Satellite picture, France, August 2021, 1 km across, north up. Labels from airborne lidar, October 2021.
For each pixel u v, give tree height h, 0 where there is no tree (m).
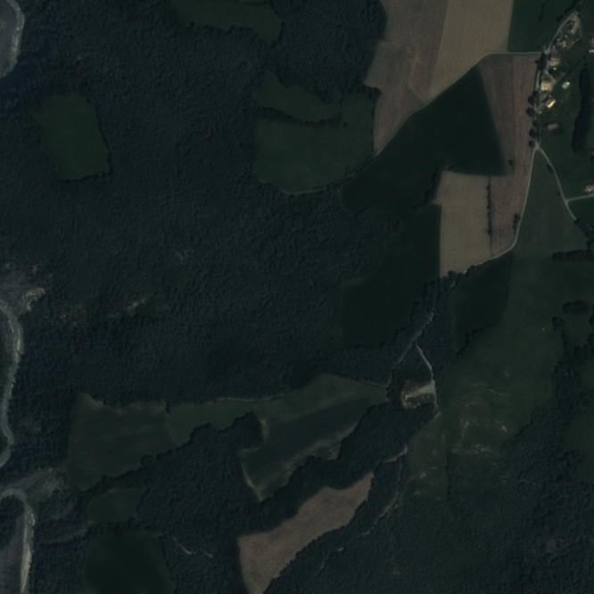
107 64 8
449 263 0
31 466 10
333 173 0
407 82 0
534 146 12
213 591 10
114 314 7
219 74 6
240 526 17
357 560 8
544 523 12
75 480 0
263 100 0
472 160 0
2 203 8
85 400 0
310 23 10
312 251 12
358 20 10
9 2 0
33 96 16
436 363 13
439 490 0
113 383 9
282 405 0
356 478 12
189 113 8
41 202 14
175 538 8
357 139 0
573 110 0
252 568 0
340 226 13
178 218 9
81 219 14
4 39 0
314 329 8
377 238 10
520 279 0
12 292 0
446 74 0
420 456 0
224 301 12
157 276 12
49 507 11
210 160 15
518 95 0
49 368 16
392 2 0
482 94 0
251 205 9
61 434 12
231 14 0
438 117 0
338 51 9
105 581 0
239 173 15
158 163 15
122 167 14
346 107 0
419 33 0
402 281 0
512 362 0
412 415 10
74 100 0
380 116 0
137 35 11
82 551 12
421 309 11
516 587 14
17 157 9
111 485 16
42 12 6
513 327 0
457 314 0
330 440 0
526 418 0
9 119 7
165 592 0
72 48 12
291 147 0
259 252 9
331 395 0
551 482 11
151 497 9
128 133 13
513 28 0
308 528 0
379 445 8
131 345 11
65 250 10
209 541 9
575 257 21
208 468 11
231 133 17
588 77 16
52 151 0
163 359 10
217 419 0
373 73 0
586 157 0
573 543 9
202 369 15
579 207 0
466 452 0
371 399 0
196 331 6
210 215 9
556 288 0
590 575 11
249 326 12
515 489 7
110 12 17
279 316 14
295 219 12
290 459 0
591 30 0
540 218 0
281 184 0
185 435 0
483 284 0
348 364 11
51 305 14
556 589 12
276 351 10
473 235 0
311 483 11
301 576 12
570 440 0
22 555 0
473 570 9
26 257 11
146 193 12
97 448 0
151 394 18
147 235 7
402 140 0
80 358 12
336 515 0
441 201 0
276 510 15
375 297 0
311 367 20
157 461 13
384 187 0
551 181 0
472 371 0
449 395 0
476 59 0
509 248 0
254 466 0
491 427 0
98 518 0
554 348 0
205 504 9
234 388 12
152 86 10
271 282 11
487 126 0
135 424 0
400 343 10
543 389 0
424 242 0
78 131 0
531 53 0
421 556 5
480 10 0
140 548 0
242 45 8
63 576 10
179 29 16
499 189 0
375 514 10
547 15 0
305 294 12
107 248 10
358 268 10
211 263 6
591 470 0
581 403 18
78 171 0
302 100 0
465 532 6
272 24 0
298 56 7
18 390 14
